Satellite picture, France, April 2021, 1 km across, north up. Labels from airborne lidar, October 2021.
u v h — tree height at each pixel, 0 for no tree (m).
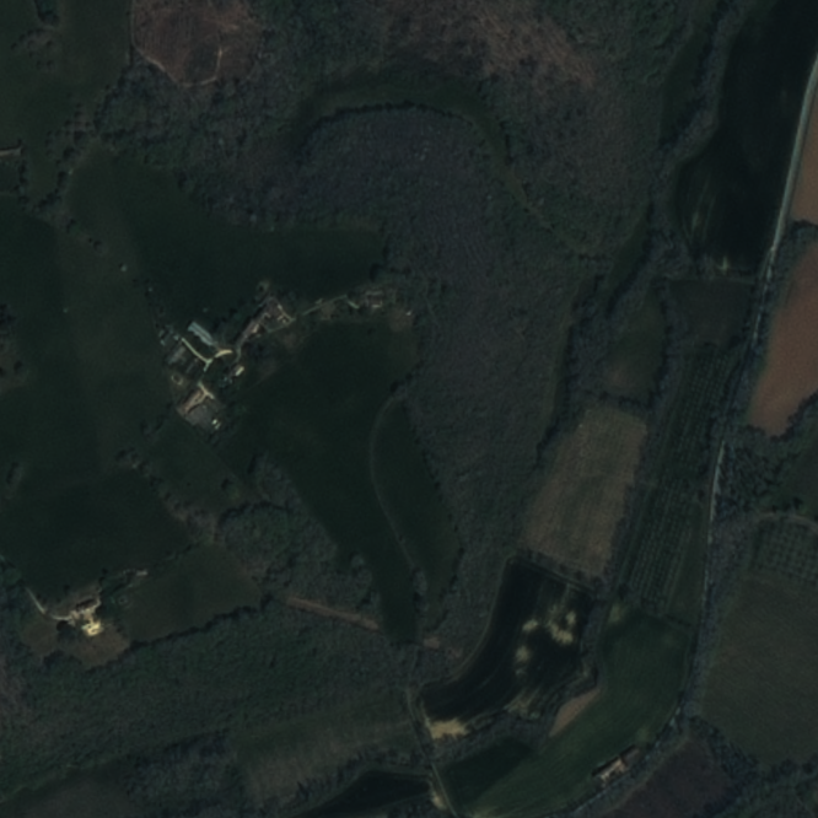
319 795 14
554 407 0
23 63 0
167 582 0
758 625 0
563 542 0
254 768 0
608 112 14
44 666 14
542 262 17
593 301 7
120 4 0
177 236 0
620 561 6
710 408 16
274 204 17
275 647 17
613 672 0
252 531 21
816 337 0
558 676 0
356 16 16
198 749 13
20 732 19
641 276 20
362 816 0
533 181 19
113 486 0
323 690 23
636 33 20
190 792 7
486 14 19
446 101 0
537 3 13
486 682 0
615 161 13
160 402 0
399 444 0
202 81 0
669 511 18
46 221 14
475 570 14
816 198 0
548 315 13
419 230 17
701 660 22
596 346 18
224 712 19
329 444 0
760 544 8
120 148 23
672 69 17
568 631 0
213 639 21
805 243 15
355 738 0
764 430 0
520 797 0
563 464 0
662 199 21
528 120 19
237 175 14
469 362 16
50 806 0
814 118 0
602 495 0
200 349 5
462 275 25
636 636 0
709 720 0
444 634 13
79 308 0
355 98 0
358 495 0
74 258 0
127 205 0
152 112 24
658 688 0
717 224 0
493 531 14
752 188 0
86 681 16
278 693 20
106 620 10
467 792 0
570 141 11
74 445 0
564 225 20
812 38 0
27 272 0
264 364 16
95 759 17
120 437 0
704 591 0
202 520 16
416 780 0
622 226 20
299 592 23
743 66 0
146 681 23
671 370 21
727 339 0
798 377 0
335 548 14
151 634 0
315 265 0
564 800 0
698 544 0
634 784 18
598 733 0
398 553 0
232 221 18
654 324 0
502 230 15
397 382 0
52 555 0
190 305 0
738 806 20
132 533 0
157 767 12
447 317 20
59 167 9
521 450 14
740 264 0
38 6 21
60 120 0
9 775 22
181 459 0
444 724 0
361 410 0
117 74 0
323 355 0
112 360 0
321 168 19
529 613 0
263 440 0
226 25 0
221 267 0
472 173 19
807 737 0
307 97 19
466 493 15
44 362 0
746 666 0
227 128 24
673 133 0
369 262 0
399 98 0
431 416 17
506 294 14
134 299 0
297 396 0
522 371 11
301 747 0
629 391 0
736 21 23
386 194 19
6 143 0
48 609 15
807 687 0
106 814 0
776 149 0
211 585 0
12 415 0
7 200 0
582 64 18
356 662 15
